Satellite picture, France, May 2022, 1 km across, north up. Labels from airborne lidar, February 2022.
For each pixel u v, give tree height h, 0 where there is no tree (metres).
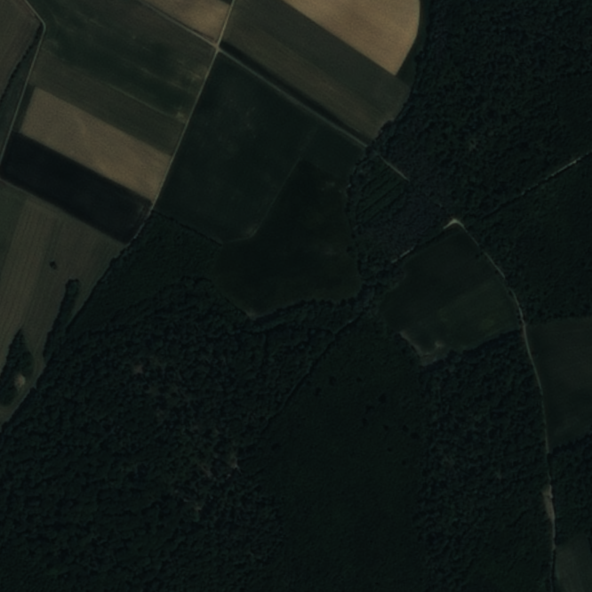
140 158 0
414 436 26
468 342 0
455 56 21
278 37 0
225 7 0
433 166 21
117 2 0
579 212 12
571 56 24
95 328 11
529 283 10
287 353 14
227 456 25
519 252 13
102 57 0
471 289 0
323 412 13
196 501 30
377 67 0
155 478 28
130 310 15
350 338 14
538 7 25
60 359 15
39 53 0
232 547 25
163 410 27
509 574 10
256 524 24
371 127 0
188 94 0
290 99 0
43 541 28
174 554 24
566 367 0
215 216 0
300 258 0
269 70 0
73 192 0
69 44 0
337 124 0
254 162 0
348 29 0
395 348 10
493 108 7
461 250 0
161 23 0
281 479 17
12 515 27
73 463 25
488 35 23
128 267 9
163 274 15
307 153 0
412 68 0
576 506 16
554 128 11
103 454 25
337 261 0
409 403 11
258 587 16
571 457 22
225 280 0
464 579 22
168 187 0
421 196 19
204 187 0
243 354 32
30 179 0
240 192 0
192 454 13
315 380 11
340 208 0
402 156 21
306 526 18
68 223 0
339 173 0
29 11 0
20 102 0
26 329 0
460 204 20
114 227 0
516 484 22
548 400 0
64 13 0
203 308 23
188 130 0
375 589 19
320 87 0
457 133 20
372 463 13
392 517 14
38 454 26
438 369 20
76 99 0
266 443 14
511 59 11
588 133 9
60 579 24
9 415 0
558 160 10
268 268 0
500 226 11
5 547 21
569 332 0
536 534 9
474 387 20
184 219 0
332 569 17
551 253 11
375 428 11
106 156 0
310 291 0
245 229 0
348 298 0
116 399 28
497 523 17
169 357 29
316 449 15
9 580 21
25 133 0
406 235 19
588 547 0
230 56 0
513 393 24
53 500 27
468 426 24
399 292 0
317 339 28
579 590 0
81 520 28
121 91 0
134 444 24
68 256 0
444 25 21
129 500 30
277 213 0
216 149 0
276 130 0
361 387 11
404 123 15
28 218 0
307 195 0
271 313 0
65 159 0
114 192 0
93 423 18
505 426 19
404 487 12
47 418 23
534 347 0
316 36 0
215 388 29
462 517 26
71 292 10
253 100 0
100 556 29
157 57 0
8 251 0
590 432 0
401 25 0
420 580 19
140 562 32
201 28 0
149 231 11
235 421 28
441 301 0
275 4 0
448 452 25
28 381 0
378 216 6
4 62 0
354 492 15
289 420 14
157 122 0
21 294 0
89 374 21
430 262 0
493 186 11
